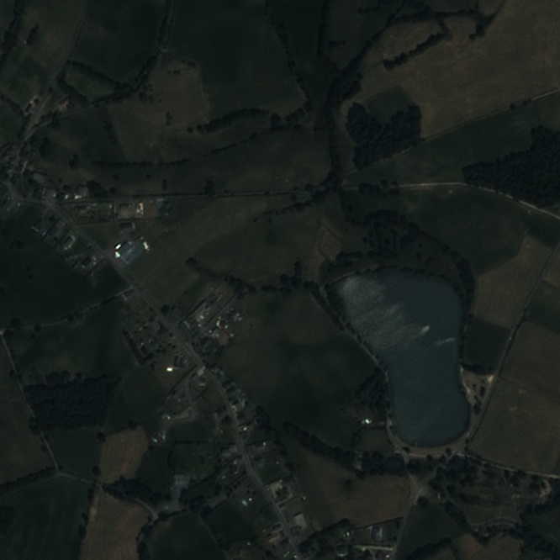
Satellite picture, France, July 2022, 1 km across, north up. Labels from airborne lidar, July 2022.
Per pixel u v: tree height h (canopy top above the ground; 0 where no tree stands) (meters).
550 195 12
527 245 0
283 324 0
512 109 10
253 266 0
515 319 0
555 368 0
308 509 0
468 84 0
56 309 0
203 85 0
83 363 0
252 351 0
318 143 0
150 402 0
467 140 0
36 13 0
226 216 0
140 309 0
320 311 0
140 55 0
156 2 0
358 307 0
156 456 0
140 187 0
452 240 0
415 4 10
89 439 0
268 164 0
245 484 0
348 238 0
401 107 0
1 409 0
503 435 0
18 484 6
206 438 0
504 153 0
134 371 0
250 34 0
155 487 0
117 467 0
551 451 0
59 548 0
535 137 14
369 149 25
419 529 0
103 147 0
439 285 0
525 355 0
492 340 0
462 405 0
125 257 0
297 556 0
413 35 0
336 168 12
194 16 0
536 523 0
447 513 11
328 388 0
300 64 0
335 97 16
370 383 15
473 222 0
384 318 0
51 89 9
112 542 0
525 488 0
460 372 0
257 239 0
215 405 0
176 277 0
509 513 0
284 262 0
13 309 0
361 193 13
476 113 0
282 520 0
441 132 0
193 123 0
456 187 0
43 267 0
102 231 0
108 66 0
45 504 0
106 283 0
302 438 16
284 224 0
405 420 0
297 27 0
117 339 0
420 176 0
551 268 0
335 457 13
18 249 13
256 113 15
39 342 0
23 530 0
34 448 0
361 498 0
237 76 0
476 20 0
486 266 0
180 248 0
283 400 0
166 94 0
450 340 0
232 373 0
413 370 0
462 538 0
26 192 0
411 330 0
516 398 0
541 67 0
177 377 0
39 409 17
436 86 0
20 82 0
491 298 0
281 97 0
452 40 0
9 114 0
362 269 0
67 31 0
